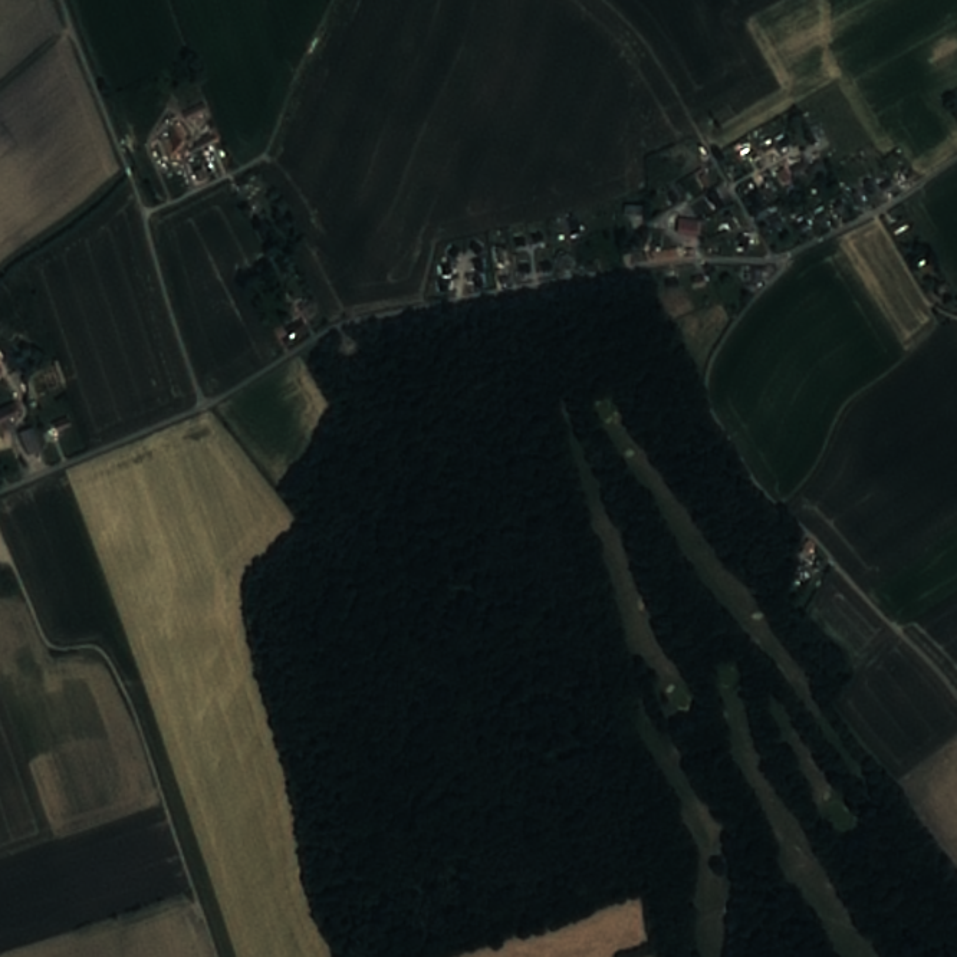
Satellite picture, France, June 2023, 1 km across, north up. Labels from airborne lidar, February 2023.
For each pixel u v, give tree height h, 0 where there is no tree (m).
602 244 0
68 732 0
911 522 0
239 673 0
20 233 0
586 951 0
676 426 20
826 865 15
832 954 22
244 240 0
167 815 0
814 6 0
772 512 14
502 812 21
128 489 0
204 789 0
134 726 0
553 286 13
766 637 0
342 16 0
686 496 15
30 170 0
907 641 0
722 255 0
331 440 20
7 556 0
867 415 0
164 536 0
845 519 0
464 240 0
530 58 0
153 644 0
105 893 0
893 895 26
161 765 0
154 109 0
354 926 17
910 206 0
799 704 14
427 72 0
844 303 0
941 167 0
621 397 15
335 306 0
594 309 19
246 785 0
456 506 21
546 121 0
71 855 0
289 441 0
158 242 0
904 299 0
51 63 0
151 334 0
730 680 0
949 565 0
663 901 18
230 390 0
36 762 0
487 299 15
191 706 0
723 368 0
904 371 0
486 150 0
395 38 0
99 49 0
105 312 0
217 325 0
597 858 18
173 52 0
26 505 0
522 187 0
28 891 0
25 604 0
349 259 0
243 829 0
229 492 0
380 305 0
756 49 0
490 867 16
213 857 0
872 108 0
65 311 0
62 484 0
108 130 0
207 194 0
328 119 0
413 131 0
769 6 0
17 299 0
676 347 17
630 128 0
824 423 0
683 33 0
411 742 21
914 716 0
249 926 0
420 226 0
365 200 0
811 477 0
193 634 0
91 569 0
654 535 18
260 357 0
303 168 0
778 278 0
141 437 0
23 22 0
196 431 0
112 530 0
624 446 0
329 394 10
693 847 17
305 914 0
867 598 0
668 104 0
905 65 0
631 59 0
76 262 0
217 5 0
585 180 0
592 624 18
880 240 0
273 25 0
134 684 0
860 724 0
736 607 0
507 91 0
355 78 0
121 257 0
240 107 0
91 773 0
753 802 17
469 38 0
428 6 0
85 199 0
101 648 0
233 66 0
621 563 0
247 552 0
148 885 0
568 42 0
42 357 14
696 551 0
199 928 0
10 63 0
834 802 0
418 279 0
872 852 21
